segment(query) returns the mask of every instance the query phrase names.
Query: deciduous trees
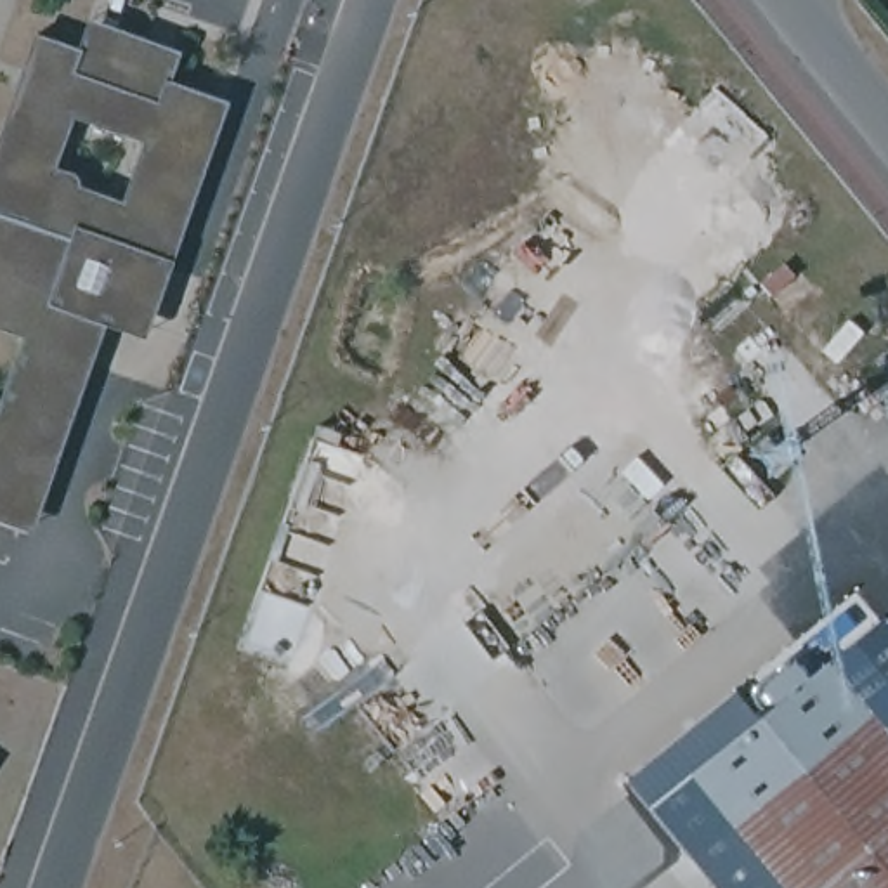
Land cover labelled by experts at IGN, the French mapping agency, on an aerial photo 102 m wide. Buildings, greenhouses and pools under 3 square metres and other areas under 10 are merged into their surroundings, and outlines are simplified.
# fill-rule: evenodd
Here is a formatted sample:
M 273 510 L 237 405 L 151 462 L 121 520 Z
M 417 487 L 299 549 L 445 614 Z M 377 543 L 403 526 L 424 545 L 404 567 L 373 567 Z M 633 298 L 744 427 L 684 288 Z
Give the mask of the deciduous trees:
M 80 645 L 76 624 L 59 624 L 52 631 L 49 656 L 24 652 L 10 638 L 0 638 L 0 656 L 7 656 L 21 673 L 69 683 L 73 656 Z
M 205 846 L 219 864 L 239 867 L 250 888 L 257 888 L 257 839 L 250 833 L 239 833 L 239 850 L 229 850 L 229 826 L 222 822 L 212 829 Z

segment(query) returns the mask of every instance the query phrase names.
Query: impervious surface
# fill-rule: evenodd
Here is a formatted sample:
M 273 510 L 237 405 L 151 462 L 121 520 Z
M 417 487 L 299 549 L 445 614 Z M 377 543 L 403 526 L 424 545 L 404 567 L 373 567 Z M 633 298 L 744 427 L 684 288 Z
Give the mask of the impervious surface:
M 163 295 L 163 316 L 153 319 L 146 336 L 118 336 L 111 330 L 104 333 L 45 510 L 35 513 L 35 520 L 28 524 L 0 517 L 0 638 L 10 638 L 24 652 L 49 656 L 52 631 L 59 624 L 76 624 L 80 645 L 73 656 L 69 683 L 28 808 L 0 867 L 0 888 L 83 888 L 94 846 L 114 801 L 128 749 L 135 742 L 149 690 L 156 683 L 205 534 L 212 527 L 229 465 L 243 441 L 264 368 L 271 361 L 284 309 L 305 264 L 312 229 L 330 194 L 343 139 L 354 125 L 354 111 L 361 104 L 395 0 L 111 0 L 114 14 L 108 17 L 111 24 L 132 35 L 170 45 L 177 28 L 198 28 L 205 35 L 205 66 L 187 69 L 187 59 L 180 56 L 177 83 L 225 97 L 229 114 Z
M 839 21 L 839 0 L 704 0 L 704 7 L 742 52 L 742 59 L 777 94 L 787 114 L 808 132 L 808 139 L 826 153 L 826 160 L 843 173 L 843 180 L 860 194 L 860 201 L 888 232 L 888 83 L 867 59 L 867 52 L 857 49 L 846 35 Z
M 826 434 L 815 434 L 812 441 L 798 441 L 798 427 L 784 427 L 780 444 L 760 444 L 756 458 L 767 461 L 770 475 L 791 475 L 787 489 L 774 496 L 763 510 L 753 510 L 732 489 L 722 503 L 715 503 L 704 513 L 697 503 L 680 500 L 676 489 L 687 486 L 676 475 L 659 482 L 659 500 L 642 496 L 631 486 L 621 496 L 621 506 L 628 510 L 635 534 L 621 538 L 621 552 L 611 562 L 590 565 L 569 579 L 520 579 L 510 590 L 513 604 L 506 604 L 503 611 L 489 604 L 486 617 L 468 617 L 468 631 L 475 635 L 475 642 L 489 656 L 506 656 L 513 666 L 500 676 L 475 680 L 461 666 L 444 669 L 430 663 L 413 683 L 413 690 L 420 690 L 420 708 L 430 718 L 468 718 L 468 725 L 475 728 L 475 742 L 468 742 L 475 756 L 489 770 L 506 770 L 506 812 L 479 808 L 472 822 L 444 819 L 434 836 L 423 836 L 413 839 L 413 850 L 402 860 L 395 860 L 385 874 L 361 888 L 715 888 L 711 878 L 694 864 L 694 857 L 680 857 L 680 833 L 666 819 L 659 822 L 649 812 L 631 777 L 642 774 L 652 760 L 659 760 L 711 711 L 718 711 L 732 694 L 760 722 L 767 708 L 753 697 L 753 680 L 760 676 L 760 666 L 777 659 L 780 645 L 808 631 L 846 593 L 867 597 L 878 617 L 888 617 L 888 406 L 878 406 L 867 395 L 857 409 L 843 413 Z
M 0 73 L 21 83 L 31 42 L 45 28 L 62 17 L 62 0 L 0 0 Z

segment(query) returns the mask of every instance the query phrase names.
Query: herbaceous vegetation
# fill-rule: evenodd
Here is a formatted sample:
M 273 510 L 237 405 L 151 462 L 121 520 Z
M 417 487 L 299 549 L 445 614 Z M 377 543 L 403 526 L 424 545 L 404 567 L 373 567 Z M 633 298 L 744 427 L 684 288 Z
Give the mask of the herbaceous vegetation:
M 867 52 L 867 59 L 888 83 L 888 0 L 839 0 L 839 21 L 846 35 L 857 49 Z
M 760 330 L 774 330 L 774 347 L 791 350 L 808 371 L 808 378 L 819 385 L 819 392 L 843 413 L 857 409 L 867 395 L 878 406 L 888 406 L 888 232 L 860 201 L 860 194 L 843 180 L 843 173 L 826 160 L 826 153 L 808 139 L 808 132 L 787 114 L 777 94 L 742 59 L 742 52 L 704 7 L 704 0 L 395 0 L 361 104 L 354 111 L 354 125 L 343 139 L 330 194 L 312 229 L 305 264 L 284 309 L 271 361 L 264 368 L 243 441 L 229 465 L 212 527 L 205 534 L 156 683 L 149 690 L 135 742 L 128 749 L 114 801 L 94 846 L 83 888 L 250 888 L 239 867 L 219 864 L 205 846 L 212 829 L 222 822 L 229 826 L 229 850 L 239 850 L 239 833 L 250 833 L 257 839 L 257 888 L 361 888 L 385 874 L 395 860 L 402 860 L 413 850 L 413 839 L 423 836 L 423 826 L 434 812 L 413 791 L 413 784 L 406 784 L 406 770 L 399 767 L 399 760 L 378 760 L 378 770 L 364 770 L 368 735 L 357 728 L 357 722 L 347 718 L 340 718 L 330 732 L 305 732 L 305 725 L 284 728 L 278 722 L 274 704 L 278 680 L 260 673 L 260 656 L 243 652 L 239 638 L 246 631 L 257 579 L 278 534 L 278 520 L 288 503 L 295 472 L 302 465 L 305 444 L 316 437 L 316 430 L 326 427 L 333 413 L 354 406 L 357 413 L 371 413 L 385 434 L 395 434 L 402 427 L 406 451 L 430 454 L 444 444 L 444 427 L 430 420 L 441 368 L 434 364 L 437 323 L 434 309 L 427 305 L 427 295 L 420 291 L 420 264 L 427 257 L 441 257 L 454 229 L 475 229 L 482 219 L 517 205 L 520 194 L 538 187 L 541 167 L 534 160 L 534 149 L 552 146 L 558 139 L 548 128 L 548 114 L 565 114 L 565 104 L 548 101 L 541 94 L 531 73 L 534 59 L 545 56 L 548 45 L 562 42 L 638 42 L 642 52 L 652 56 L 656 73 L 663 73 L 666 87 L 680 94 L 683 104 L 697 108 L 708 94 L 722 94 L 756 128 L 763 128 L 763 135 L 777 146 L 770 156 L 770 170 L 784 191 L 791 191 L 784 205 L 784 222 L 770 246 L 739 264 L 735 278 L 718 274 L 711 291 L 715 298 L 708 298 L 697 312 L 701 340 L 718 350 L 722 375 L 728 382 L 739 382 L 739 343 L 746 336 L 756 336 Z
M 111 0 L 62 0 L 62 17 L 45 28 L 49 38 L 76 45 L 83 38 L 83 24 L 101 24 L 108 17 L 114 14 Z
M 69 683 L 21 673 L 7 656 L 0 656 L 0 867 L 28 808 Z

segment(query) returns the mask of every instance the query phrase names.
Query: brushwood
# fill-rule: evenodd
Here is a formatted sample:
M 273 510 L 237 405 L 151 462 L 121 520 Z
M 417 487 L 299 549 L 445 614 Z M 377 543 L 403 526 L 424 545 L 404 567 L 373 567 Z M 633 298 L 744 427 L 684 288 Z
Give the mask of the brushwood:
M 187 69 L 205 66 L 205 35 L 198 28 L 177 28 L 170 45 L 180 49 L 180 56 L 187 59 Z

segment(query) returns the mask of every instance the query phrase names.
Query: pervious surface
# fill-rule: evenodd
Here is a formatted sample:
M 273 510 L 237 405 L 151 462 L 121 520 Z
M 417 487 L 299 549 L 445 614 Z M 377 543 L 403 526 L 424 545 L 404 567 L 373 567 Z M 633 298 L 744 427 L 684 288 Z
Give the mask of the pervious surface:
M 780 645 L 777 659 L 760 666 L 760 676 L 780 673 L 784 663 L 794 659 L 801 649 L 829 652 L 857 645 L 864 635 L 878 628 L 878 617 L 867 597 L 846 593 L 808 631 Z
M 621 552 L 621 538 L 635 534 L 628 510 L 621 506 L 621 496 L 631 486 L 642 496 L 659 500 L 659 482 L 676 475 L 687 486 L 676 489 L 680 500 L 697 503 L 704 513 L 715 503 L 722 503 L 732 489 L 753 510 L 763 510 L 774 496 L 787 489 L 791 475 L 770 475 L 767 461 L 756 458 L 760 444 L 780 444 L 784 427 L 798 427 L 798 441 L 812 441 L 815 434 L 826 434 L 843 413 L 819 392 L 819 385 L 808 378 L 808 371 L 791 350 L 774 347 L 774 330 L 760 330 L 756 336 L 746 336 L 739 343 L 739 382 L 728 382 L 722 375 L 718 350 L 701 340 L 697 312 L 708 298 L 715 298 L 711 291 L 718 274 L 735 278 L 739 264 L 770 246 L 784 222 L 784 205 L 791 191 L 784 191 L 770 170 L 770 156 L 777 146 L 763 135 L 763 128 L 756 128 L 722 94 L 708 94 L 697 108 L 683 104 L 680 94 L 666 87 L 663 73 L 656 73 L 652 56 L 642 52 L 638 42 L 562 42 L 548 45 L 545 56 L 534 59 L 531 73 L 541 94 L 548 101 L 565 104 L 565 114 L 548 114 L 548 128 L 558 139 L 552 146 L 534 149 L 534 160 L 541 167 L 538 187 L 520 194 L 517 205 L 482 219 L 475 229 L 454 229 L 441 257 L 427 257 L 420 264 L 420 291 L 427 295 L 427 305 L 434 309 L 437 323 L 434 364 L 441 368 L 430 420 L 444 427 L 444 444 L 430 454 L 406 451 L 402 427 L 395 434 L 385 434 L 371 413 L 357 413 L 354 406 L 333 413 L 326 427 L 316 430 L 316 437 L 305 444 L 302 465 L 295 472 L 288 503 L 278 520 L 278 534 L 257 579 L 246 631 L 239 638 L 243 652 L 260 656 L 260 673 L 278 680 L 274 704 L 278 722 L 284 728 L 305 725 L 305 732 L 330 732 L 340 718 L 347 718 L 357 722 L 357 728 L 368 735 L 364 770 L 378 770 L 378 760 L 399 760 L 399 767 L 406 770 L 406 784 L 413 784 L 413 791 L 434 812 L 423 826 L 423 836 L 434 836 L 444 819 L 472 822 L 479 808 L 506 812 L 506 770 L 489 770 L 475 756 L 468 742 L 475 742 L 475 728 L 468 725 L 468 718 L 430 718 L 420 708 L 420 690 L 413 690 L 413 683 L 430 663 L 444 669 L 461 666 L 475 680 L 500 676 L 513 666 L 506 656 L 489 656 L 475 642 L 475 635 L 468 631 L 468 617 L 486 617 L 489 604 L 503 611 L 506 604 L 513 604 L 510 590 L 520 579 L 569 579 L 590 565 L 611 562 Z

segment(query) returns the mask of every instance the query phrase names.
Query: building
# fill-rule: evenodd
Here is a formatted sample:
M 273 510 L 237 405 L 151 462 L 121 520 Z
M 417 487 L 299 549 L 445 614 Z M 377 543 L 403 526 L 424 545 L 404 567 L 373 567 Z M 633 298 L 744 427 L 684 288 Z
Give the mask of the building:
M 694 864 L 711 878 L 715 888 L 888 888 L 888 617 L 878 617 L 878 628 L 864 635 L 857 645 L 829 652 L 801 649 L 794 659 L 784 663 L 780 673 L 760 676 L 753 680 L 753 697 L 767 708 L 760 722 L 732 694 L 718 711 L 711 711 L 659 760 L 652 760 L 642 774 L 631 777 L 649 812 L 659 822 L 666 819 L 680 833 L 680 857 L 694 857 Z
M 118 336 L 146 336 L 153 319 L 163 316 L 163 295 L 229 114 L 225 97 L 177 83 L 180 56 L 180 49 L 170 45 L 132 35 L 111 24 L 108 17 L 101 24 L 83 24 L 83 38 L 76 45 L 49 38 L 45 28 L 31 42 L 21 83 L 0 73 L 0 517 L 28 524 L 35 520 L 35 513 L 45 510 L 104 333 L 111 330 Z

